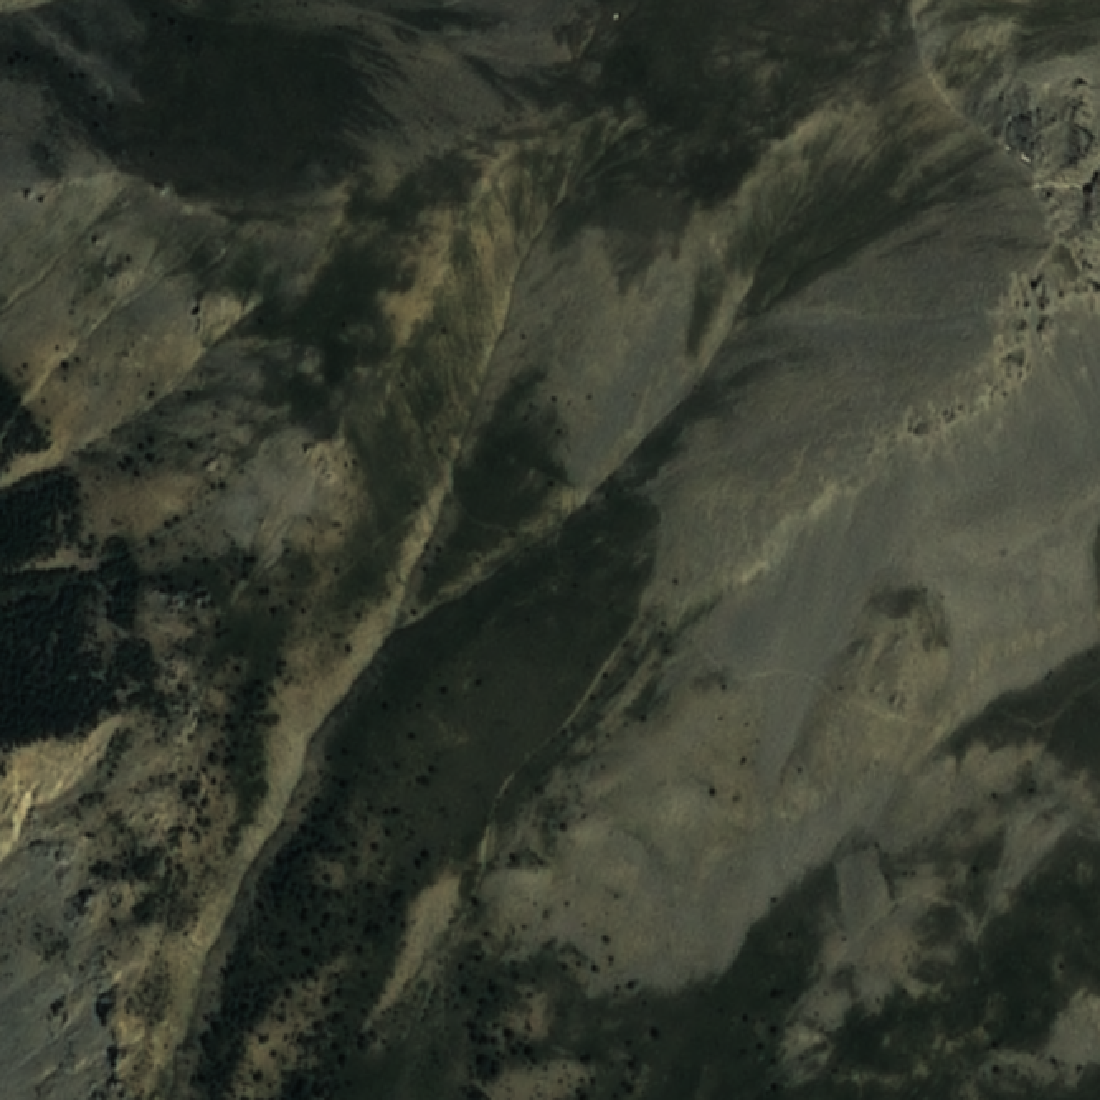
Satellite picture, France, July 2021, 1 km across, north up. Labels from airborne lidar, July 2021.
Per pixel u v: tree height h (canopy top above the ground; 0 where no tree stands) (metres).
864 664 0
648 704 0
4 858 0
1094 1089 0
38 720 10
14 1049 0
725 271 0
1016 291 0
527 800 0
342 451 0
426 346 0
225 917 0
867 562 0
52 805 0
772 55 0
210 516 0
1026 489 0
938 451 0
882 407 0
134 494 0
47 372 0
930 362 0
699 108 0
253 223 0
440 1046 0
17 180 0
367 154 0
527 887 0
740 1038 0
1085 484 0
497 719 0
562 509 0
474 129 0
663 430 0
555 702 0
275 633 0
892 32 0
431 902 0
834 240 0
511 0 0
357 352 0
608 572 0
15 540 11
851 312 0
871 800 0
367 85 0
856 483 0
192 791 6
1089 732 0
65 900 0
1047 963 0
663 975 0
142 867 9
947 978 0
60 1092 0
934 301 0
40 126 0
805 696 0
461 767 0
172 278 0
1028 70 0
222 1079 7
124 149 0
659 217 0
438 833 0
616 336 0
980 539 0
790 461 0
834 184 0
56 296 0
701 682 0
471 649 0
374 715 0
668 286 0
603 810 0
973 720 0
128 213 0
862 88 0
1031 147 0
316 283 0
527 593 0
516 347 0
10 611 6
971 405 0
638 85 0
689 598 0
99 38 0
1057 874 0
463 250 0
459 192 0
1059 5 0
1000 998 0
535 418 0
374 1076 0
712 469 0
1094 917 0
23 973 0
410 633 0
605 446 0
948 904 0
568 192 0
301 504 0
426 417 0
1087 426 0
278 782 0
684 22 0
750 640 0
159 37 0
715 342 0
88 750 0
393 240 0
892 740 0
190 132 0
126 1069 0
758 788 0
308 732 0
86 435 0
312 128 0
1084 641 0
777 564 0
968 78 0
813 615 0
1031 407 0
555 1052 0
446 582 0
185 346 0
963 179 0
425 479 0
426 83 0
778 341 0
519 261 0
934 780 0
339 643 0
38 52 0
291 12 0
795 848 0
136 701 5
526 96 0
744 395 0
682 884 0
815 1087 0
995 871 0
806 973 0
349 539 0
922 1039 0
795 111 0
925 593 0
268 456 0
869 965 0
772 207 0
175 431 0
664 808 0
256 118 0
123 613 10
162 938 0
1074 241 0
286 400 0
